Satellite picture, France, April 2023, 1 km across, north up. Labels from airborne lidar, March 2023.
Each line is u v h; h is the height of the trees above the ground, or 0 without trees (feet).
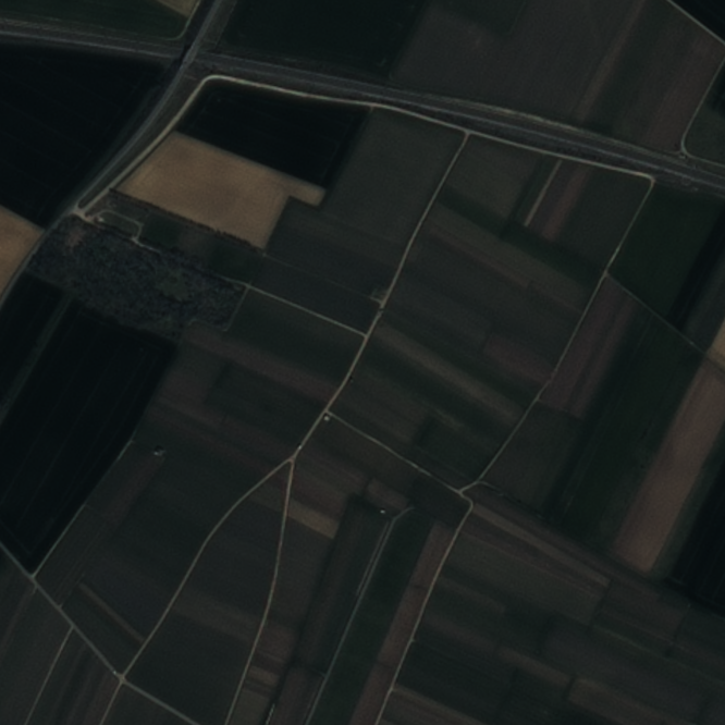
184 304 27
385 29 0
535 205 0
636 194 0
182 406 0
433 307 0
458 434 0
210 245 0
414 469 0
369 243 0
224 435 0
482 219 0
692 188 0
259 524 0
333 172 0
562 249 0
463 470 0
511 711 0
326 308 0
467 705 0
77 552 0
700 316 0
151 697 0
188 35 0
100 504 0
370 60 0
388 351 0
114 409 0
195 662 0
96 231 45
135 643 0
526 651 0
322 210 0
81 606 0
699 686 0
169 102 0
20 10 0
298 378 0
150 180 0
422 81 0
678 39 0
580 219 0
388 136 0
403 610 0
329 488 0
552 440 0
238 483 0
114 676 0
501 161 0
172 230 0
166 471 0
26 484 0
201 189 0
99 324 0
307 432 0
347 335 0
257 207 0
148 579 0
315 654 0
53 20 0
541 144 0
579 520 0
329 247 0
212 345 0
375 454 0
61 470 0
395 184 0
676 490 0
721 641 0
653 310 0
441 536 0
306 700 0
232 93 0
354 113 0
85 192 0
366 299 0
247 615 0
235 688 0
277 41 0
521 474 0
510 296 0
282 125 0
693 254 0
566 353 0
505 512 0
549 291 0
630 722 0
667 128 0
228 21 0
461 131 0
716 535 0
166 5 0
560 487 0
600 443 0
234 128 0
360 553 0
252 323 0
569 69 0
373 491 0
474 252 0
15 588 0
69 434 0
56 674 0
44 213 0
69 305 0
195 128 0
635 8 0
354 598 0
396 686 0
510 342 0
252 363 0
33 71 0
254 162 0
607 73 0
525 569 0
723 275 0
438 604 0
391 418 0
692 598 0
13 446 0
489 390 0
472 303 0
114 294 69
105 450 0
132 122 0
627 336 0
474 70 0
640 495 0
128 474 0
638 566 0
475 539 0
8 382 0
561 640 0
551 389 0
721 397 0
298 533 0
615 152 0
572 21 0
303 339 0
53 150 0
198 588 0
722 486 0
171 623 0
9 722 0
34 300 0
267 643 0
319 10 0
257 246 0
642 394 0
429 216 0
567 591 0
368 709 0
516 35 0
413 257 0
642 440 0
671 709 0
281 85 0
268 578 0
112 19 0
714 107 0
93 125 0
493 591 0
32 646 0
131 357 0
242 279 0
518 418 0
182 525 0
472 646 0
